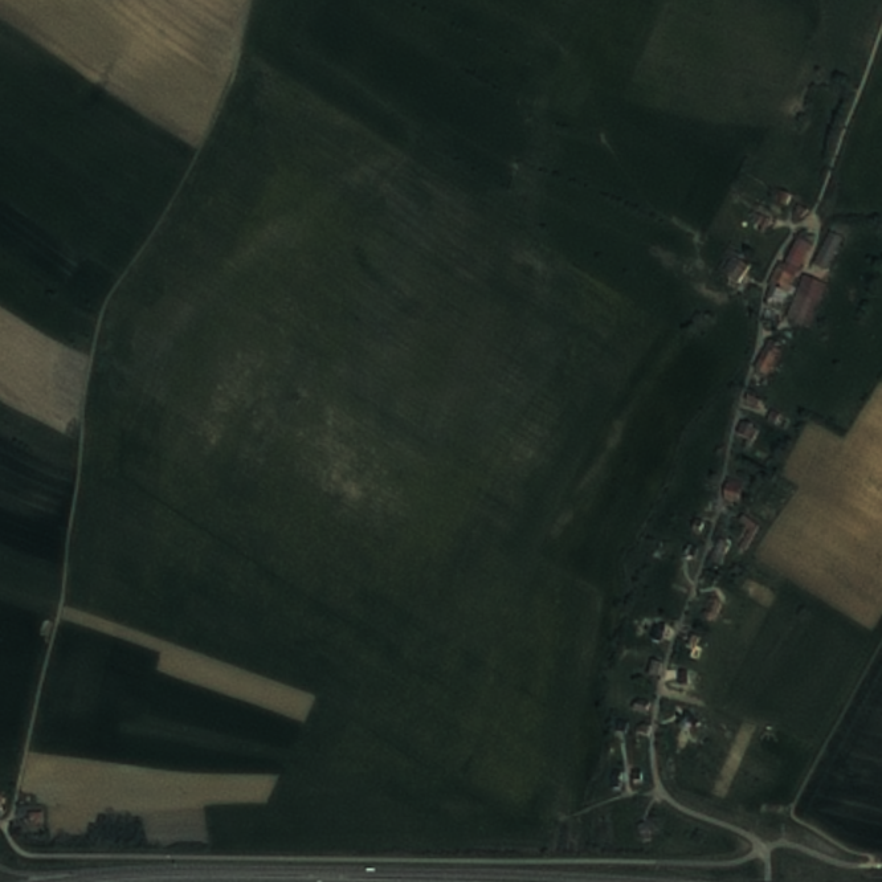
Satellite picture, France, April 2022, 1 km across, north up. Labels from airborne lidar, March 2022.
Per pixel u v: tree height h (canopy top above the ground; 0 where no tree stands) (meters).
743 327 0
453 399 0
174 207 0
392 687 0
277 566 0
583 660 0
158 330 0
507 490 0
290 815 0
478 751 0
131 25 0
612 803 0
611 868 0
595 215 0
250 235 0
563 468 0
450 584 0
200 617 0
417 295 0
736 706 0
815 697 0
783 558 0
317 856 0
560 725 0
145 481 0
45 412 0
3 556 0
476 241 0
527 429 0
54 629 0
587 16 0
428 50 0
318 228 0
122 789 0
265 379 0
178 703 0
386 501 0
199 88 0
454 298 0
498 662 0
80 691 0
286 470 0
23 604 0
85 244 0
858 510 0
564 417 0
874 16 0
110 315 0
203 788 0
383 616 0
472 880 0
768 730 0
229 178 0
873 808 0
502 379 0
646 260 0
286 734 0
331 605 0
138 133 0
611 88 0
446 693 0
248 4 0
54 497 0
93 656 0
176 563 0
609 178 0
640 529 0
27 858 0
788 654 0
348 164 0
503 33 0
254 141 0
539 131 0
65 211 0
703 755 0
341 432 0
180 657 0
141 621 0
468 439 0
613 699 0
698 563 0
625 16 0
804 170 0
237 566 0
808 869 0
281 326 0
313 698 0
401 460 0
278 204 0
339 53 0
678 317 0
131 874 0
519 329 0
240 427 0
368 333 0
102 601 0
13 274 0
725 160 0
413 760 0
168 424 0
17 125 0
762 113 0
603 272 0
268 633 0
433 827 0
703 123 0
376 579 0
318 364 0
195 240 0
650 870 0
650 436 0
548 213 0
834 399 0
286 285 0
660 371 0
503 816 0
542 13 0
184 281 0
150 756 0
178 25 0
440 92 0
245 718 0
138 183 0
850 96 16
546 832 0
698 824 0
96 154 0
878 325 0
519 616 0
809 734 0
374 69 0
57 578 0
